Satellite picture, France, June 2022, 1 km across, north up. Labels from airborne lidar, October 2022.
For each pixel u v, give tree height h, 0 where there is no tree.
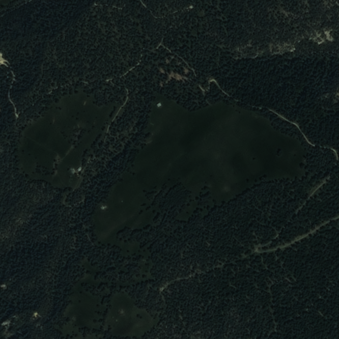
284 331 18
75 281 12
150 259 12
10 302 20
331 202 11
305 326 19
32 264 21
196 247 14
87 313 0
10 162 13
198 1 22
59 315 13
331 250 25
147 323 0
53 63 13
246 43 12
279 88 20
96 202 16
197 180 0
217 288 16
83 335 8
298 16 7
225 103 11
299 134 16
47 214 11
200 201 13
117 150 23
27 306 13
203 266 10
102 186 17
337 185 14
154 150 0
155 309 7
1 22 8
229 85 18
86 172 10
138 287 14
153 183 0
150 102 14
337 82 12
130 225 0
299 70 33
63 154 0
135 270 11
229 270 12
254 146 0
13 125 11
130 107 9
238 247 12
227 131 0
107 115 0
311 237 28
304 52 18
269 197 24
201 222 14
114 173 22
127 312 0
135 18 11
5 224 11
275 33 8
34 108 16
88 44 10
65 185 0
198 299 19
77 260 14
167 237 18
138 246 0
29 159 0
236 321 18
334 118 25
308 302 23
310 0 8
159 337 9
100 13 8
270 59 9
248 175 0
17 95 12
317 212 14
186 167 0
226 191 0
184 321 13
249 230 23
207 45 20
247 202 19
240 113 8
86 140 0
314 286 14
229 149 0
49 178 0
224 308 23
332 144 24
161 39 10
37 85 11
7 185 15
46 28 15
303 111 24
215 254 20
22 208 8
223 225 14
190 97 17
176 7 12
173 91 15
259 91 26
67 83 21
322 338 12
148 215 0
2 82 14
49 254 16
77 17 11
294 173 0
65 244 9
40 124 0
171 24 15
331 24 14
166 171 0
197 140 0
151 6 11
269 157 0
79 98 0
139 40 10
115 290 12
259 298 21
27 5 9
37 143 0
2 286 14
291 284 22
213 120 0
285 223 15
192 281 8
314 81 24
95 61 13
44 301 7
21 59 6
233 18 22
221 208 17
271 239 8
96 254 8
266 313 22
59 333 15
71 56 12
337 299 25
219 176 0
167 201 9
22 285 11
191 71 19
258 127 0
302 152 0
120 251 15
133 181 0
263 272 28
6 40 10
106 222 0
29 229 8
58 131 0
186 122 0
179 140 0
